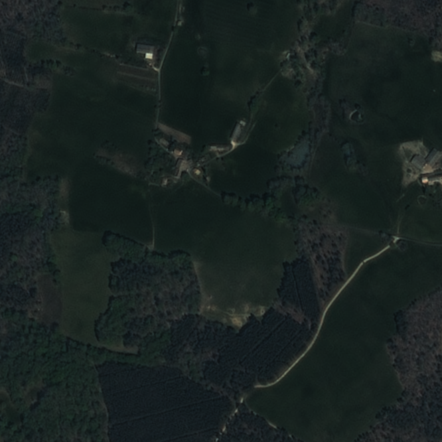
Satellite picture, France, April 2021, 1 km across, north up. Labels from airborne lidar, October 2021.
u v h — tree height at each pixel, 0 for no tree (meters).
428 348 11
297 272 18
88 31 0
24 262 13
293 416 0
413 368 10
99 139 0
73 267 0
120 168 0
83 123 0
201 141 0
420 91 0
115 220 0
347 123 15
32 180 0
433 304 9
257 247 0
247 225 0
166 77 0
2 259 20
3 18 9
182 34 0
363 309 0
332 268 13
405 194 0
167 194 0
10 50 6
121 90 0
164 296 11
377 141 0
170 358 20
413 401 8
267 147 0
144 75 0
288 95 0
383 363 0
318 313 15
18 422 0
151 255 10
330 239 11
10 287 10
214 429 11
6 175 7
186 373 11
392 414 20
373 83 0
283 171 10
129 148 0
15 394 22
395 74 0
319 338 0
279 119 0
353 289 0
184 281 15
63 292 0
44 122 0
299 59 18
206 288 0
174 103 0
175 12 0
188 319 16
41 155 0
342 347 0
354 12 13
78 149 0
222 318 0
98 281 0
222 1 0
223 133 0
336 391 0
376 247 0
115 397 14
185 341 15
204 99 0
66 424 23
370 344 0
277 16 0
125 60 0
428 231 0
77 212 0
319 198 23
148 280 22
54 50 0
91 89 0
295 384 0
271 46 0
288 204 0
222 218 0
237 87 0
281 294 16
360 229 0
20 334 8
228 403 13
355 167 18
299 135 0
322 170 0
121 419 16
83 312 0
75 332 0
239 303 0
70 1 0
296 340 19
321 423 0
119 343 21
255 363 16
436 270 0
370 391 0
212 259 0
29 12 7
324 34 0
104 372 16
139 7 0
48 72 7
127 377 16
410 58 0
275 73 0
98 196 0
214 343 20
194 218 0
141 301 13
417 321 7
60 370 30
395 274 0
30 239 13
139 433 14
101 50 0
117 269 21
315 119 0
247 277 0
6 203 18
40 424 24
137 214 0
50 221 11
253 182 0
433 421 23
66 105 0
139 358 13
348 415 0
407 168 0
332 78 0
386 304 0
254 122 0
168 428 12
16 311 20
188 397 17
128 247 21
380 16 8
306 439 0
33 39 5
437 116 0
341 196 0
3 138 19
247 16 0
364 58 0
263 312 0
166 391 16
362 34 0
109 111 0
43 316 0
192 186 0
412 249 0
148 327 19
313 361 0
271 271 0
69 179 0
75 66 0
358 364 0
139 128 0
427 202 0
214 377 18
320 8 19
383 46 0
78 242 0
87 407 26
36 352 27
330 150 0
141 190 0
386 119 0
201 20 0
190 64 0
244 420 17
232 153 0
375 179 0
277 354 20
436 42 17
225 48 0
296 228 13
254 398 0
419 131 0
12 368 19
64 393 30
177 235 0
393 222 0
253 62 0
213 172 0
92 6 0
